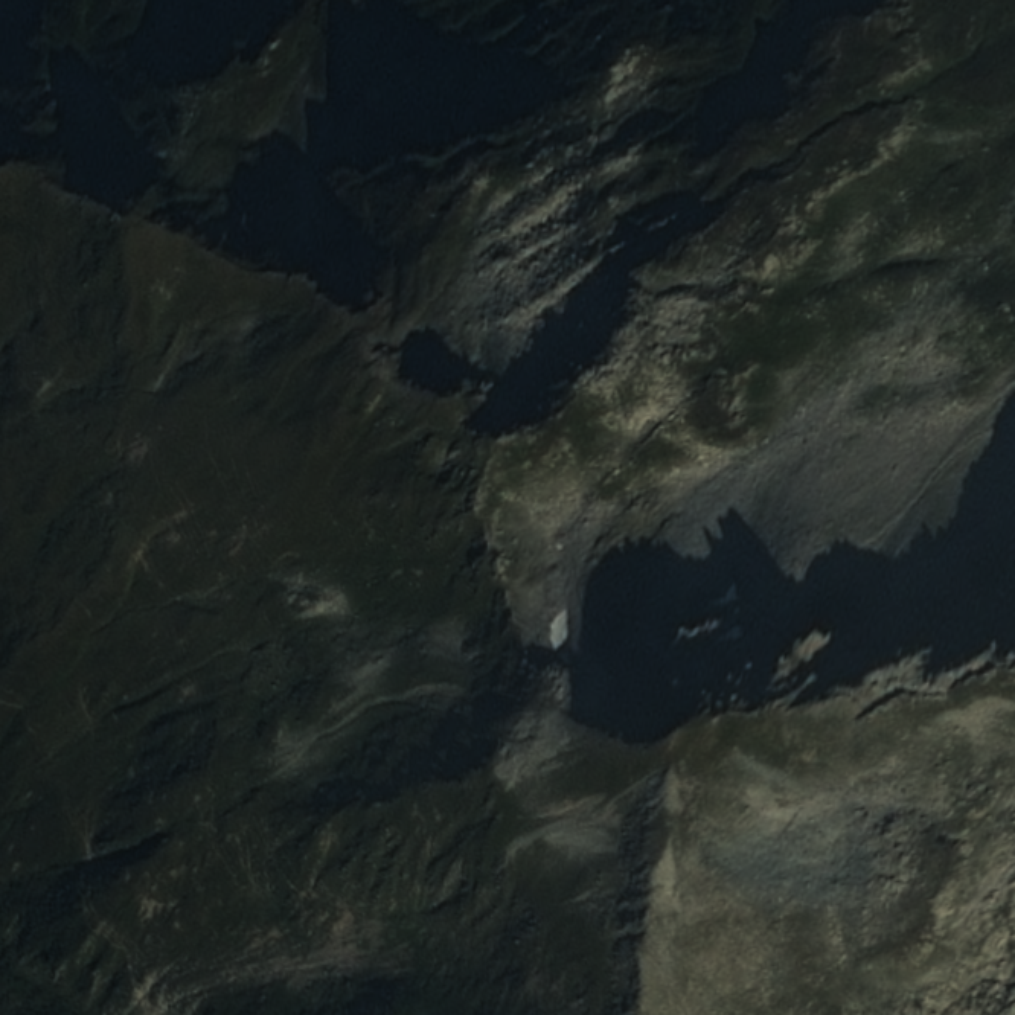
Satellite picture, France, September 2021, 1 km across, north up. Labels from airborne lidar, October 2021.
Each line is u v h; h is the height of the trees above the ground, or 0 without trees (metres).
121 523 0
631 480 0
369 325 0
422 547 0
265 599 0
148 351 0
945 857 0
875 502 0
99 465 0
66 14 0
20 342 0
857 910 0
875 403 0
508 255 0
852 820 0
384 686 0
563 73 0
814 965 0
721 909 0
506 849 0
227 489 0
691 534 0
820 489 0
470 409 0
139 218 0
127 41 0
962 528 0
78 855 0
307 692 0
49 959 8
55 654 0
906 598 0
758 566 0
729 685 0
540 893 0
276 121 0
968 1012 0
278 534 0
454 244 0
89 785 0
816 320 0
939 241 0
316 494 0
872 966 0
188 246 0
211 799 0
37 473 0
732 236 0
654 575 0
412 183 0
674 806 0
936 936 0
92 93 0
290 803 0
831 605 0
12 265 0
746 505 0
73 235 0
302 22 0
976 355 0
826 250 0
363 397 0
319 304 0
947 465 0
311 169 0
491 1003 0
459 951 0
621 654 0
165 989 0
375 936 0
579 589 0
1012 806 0
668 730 0
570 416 0
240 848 0
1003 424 0
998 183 0
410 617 0
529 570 0
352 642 0
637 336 0
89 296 0
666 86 0
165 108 0
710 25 0
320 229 0
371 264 0
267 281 0
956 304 0
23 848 0
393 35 0
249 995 0
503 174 0
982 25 0
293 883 0
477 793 0
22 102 0
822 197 0
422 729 0
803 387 0
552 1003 0
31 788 0
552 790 0
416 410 0
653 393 0
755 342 0
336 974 0
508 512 0
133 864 0
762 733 0
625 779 0
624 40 0
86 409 0
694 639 0
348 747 0
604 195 0
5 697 0
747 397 0
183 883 0
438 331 0
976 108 0
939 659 0
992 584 0
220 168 0
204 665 0
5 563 0
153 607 0
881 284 0
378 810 0
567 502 0
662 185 0
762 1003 0
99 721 0
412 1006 0
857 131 0
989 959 0
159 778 0
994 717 0
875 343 0
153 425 0
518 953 0
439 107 0
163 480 0
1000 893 0
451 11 0
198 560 0
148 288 0
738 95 0
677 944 0
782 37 0
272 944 0
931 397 0
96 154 0
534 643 0
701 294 0
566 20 0
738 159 0
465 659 0
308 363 0
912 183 0
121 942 0
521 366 0
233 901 0
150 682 0
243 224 0
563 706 0
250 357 0
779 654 0
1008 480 0
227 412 0
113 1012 0
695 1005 0
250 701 0
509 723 0
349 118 0
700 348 0
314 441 0
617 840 0
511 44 0
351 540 0
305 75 0
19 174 0
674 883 0
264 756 0
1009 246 0
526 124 0
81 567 0
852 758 0
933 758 0
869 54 0
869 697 0
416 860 0
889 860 0
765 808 0
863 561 0
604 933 0
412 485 0
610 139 0
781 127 0
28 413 0
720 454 0
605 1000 0
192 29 6
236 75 0
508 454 0
